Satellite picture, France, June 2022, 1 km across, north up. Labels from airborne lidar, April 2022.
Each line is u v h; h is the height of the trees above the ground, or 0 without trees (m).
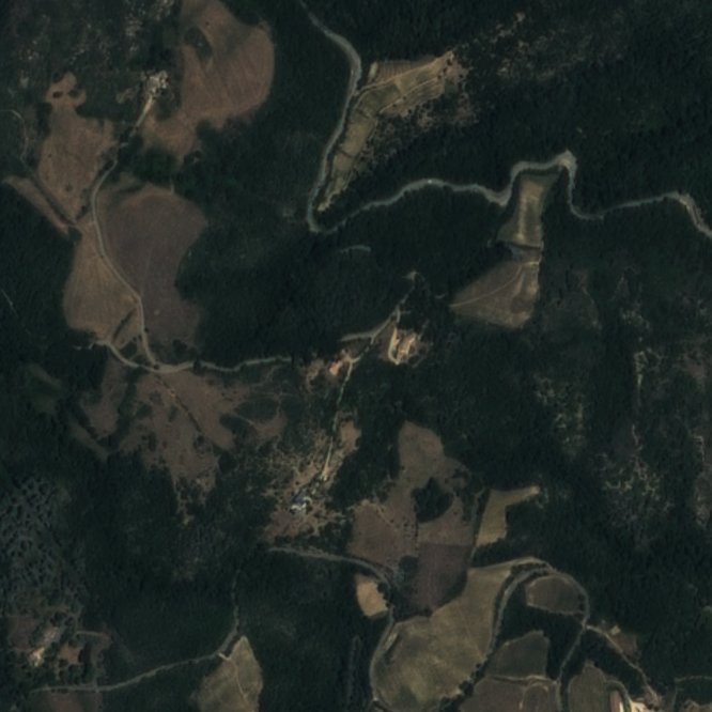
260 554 12
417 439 0
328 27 6
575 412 8
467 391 8
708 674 6
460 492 9
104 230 0
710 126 11
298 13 12
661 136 21
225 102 0
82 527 10
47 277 8
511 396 13
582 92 16
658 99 9
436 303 9
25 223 8
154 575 7
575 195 13
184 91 0
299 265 22
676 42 14
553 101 14
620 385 8
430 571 0
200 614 6
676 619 15
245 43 0
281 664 11
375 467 6
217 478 6
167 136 0
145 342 0
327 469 0
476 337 6
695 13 7
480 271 9
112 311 0
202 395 0
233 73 0
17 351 13
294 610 9
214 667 9
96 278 0
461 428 7
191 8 0
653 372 7
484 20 12
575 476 19
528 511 10
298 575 7
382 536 0
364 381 7
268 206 11
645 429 9
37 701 0
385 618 6
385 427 10
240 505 8
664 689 7
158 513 7
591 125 8
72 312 0
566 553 11
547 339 7
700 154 9
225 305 9
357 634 7
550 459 25
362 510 0
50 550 18
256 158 8
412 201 8
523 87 13
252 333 19
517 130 15
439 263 15
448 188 14
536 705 0
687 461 9
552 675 13
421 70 0
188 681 7
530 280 0
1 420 17
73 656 0
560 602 0
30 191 0
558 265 0
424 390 7
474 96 9
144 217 0
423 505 6
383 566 0
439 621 0
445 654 0
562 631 14
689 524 8
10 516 15
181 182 11
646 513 12
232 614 7
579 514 15
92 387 7
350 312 11
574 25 9
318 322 15
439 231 13
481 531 0
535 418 14
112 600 11
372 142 9
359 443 8
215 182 9
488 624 0
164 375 0
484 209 13
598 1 11
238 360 10
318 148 6
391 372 9
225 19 0
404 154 18
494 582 0
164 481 8
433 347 6
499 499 0
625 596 16
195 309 0
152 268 0
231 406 0
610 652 11
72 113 0
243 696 0
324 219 19
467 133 16
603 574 11
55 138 0
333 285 11
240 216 8
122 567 25
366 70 10
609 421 11
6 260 12
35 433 10
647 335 7
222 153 7
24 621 0
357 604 14
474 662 0
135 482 6
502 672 0
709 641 7
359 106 0
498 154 17
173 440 0
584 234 8
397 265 14
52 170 0
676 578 14
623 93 12
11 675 15
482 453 18
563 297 11
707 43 11
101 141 0
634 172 13
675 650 10
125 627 7
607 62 13
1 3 11
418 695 0
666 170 11
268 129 12
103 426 0
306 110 10
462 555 0
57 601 16
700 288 6
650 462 8
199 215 0
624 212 9
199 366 10
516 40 11
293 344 9
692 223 10
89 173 0
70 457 15
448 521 0
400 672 0
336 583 9
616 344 6
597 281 6
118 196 0
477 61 9
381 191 13
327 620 11
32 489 19
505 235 0
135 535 7
